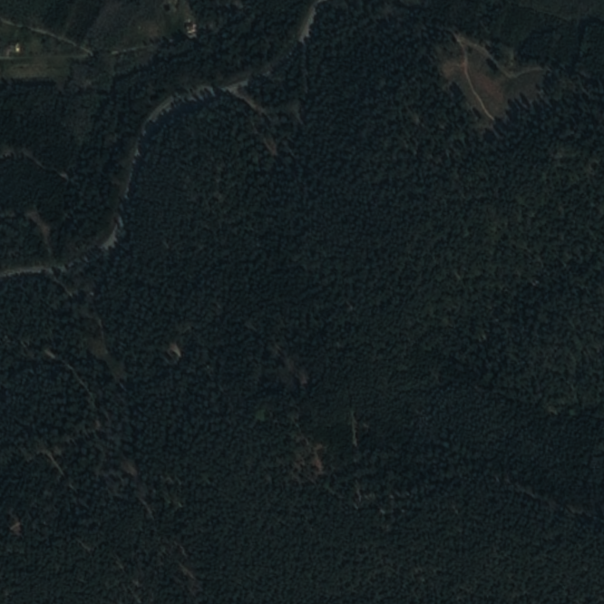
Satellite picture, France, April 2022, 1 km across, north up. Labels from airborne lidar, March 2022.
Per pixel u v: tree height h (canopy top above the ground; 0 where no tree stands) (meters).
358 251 31
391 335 27
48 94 29
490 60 0
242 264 23
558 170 28
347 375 25
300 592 24
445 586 24
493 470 39
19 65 0
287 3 24
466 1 12
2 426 27
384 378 24
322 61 21
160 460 35
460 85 0
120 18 20
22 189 9
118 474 21
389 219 34
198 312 30
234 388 26
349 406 20
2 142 19
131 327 22
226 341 23
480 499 29
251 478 24
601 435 23
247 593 28
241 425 20
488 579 27
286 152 35
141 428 39
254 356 30
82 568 26
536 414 21
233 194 25
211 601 30
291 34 26
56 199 20
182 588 19
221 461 24
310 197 31
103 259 20
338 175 30
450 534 21
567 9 10
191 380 29
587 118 37
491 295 32
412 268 20
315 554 22
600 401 26
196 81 25
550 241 31
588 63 19
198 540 32
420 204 31
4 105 30
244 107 24
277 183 34
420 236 28
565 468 21
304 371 22
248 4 27
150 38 0
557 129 32
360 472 25
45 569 20
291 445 15
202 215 15
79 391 38
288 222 24
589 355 15
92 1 13
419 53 32
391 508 24
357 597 14
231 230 25
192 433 28
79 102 18
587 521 8
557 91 32
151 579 32
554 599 33
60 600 25
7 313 24
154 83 24
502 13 24
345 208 33
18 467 12
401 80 28
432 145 15
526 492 35
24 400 29
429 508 25
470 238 24
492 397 24
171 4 0
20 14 23
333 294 16
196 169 21
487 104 0
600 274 13
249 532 25
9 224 8
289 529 23
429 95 30
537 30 9
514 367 35
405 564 25
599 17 9
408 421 17
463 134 29
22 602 23
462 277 33
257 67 17
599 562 21
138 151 0
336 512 23
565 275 27
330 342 29
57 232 25
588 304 40
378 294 14
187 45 29
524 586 30
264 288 26
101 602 24
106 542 36
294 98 41
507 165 28
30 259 17
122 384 0
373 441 18
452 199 25
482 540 22
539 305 14
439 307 27
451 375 26
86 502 27
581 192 25
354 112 19
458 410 23
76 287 30
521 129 34
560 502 20
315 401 25
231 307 26
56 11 27
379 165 23
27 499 9
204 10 21
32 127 21
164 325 29
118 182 24
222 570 26
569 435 21
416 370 19
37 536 20
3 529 10
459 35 16
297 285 21
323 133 27
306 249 26
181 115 7
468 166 10
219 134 32
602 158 36
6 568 12
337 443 10
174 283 24
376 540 20
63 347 30
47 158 20
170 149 23
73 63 0
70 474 22
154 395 31
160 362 14
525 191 19
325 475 11
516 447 27
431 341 29
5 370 29
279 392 6
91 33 23
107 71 18
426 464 31
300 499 18
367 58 25
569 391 32
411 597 28
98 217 33
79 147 23
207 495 29
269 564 24
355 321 24
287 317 26
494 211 31
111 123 30
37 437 21
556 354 25
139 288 23
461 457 14
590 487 22
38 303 28
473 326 9
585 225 30
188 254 18
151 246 21
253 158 34
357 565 12
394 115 22
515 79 0
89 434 25
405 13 29
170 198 22
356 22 24
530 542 25
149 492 29
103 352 0
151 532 23
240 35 27
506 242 17
